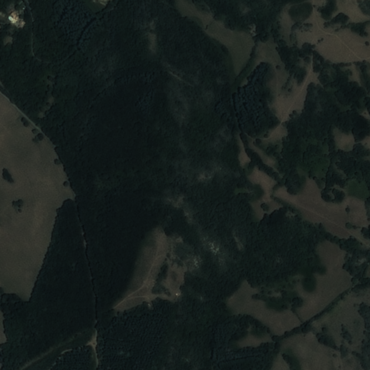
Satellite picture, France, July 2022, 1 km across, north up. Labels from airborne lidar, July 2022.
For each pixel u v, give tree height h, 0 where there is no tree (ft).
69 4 110
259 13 25
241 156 0
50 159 0
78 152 64
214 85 28
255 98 89
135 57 30
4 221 0
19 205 31
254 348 46
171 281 0
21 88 47
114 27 36
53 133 51
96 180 25
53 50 39
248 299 0
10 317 60
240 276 41
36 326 74
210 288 50
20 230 0
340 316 0
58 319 72
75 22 105
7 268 0
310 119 43
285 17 0
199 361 32
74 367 33
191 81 22
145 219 57
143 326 49
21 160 0
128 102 77
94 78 32
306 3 0
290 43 0
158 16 31
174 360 30
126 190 36
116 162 59
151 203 42
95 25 100
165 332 32
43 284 68
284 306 36
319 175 0
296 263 55
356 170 60
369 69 0
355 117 56
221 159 26
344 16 30
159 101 34
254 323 45
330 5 31
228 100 76
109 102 60
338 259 0
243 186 28
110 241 52
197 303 39
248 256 39
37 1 53
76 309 65
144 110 79
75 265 47
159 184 31
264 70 64
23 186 0
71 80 55
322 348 0
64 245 72
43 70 52
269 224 51
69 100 28
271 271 33
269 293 29
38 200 0
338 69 31
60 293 83
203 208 43
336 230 0
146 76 84
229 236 22
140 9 27
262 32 24
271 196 23
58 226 50
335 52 0
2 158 0
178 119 24
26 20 44
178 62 26
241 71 22
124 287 45
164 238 0
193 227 26
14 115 0
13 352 49
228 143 25
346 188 0
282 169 45
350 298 0
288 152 40
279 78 0
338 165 37
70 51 54
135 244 55
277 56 0
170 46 30
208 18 0
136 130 52
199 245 40
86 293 77
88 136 50
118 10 29
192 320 24
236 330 43
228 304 0
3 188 0
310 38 0
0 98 0
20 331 55
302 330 41
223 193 40
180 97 19
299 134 30
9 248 0
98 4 0
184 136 35
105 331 57
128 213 65
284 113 0
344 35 0
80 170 57
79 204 53
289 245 22
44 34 60
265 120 30
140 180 23
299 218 32
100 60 39
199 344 39
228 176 19
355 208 0
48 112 34
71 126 68
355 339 0
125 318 42
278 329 0
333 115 37
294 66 31
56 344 70
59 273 73
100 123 66
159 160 21
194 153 22
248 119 34
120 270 45
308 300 0
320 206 0
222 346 80
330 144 48
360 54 0
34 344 60
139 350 33
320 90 20
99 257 76
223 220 34
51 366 30
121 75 56
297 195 0
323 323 0
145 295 0
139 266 0
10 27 32
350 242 52
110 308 30
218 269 28
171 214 39
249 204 28
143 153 36
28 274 0
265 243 26
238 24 30
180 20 55
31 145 0
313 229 29
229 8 39
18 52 61
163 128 18
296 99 0
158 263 0
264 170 21
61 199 0
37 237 0
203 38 20
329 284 0
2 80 45
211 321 48
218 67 29
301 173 0
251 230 29
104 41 28
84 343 0
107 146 77
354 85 33
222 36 0
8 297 68
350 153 24
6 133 0
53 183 0
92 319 68
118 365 46
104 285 36
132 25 22
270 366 31
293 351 0
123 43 60
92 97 65
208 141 21
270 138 0
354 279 52
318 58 21
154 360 48
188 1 0
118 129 80
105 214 60
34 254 0
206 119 30
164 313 41
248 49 0
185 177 18
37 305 71
